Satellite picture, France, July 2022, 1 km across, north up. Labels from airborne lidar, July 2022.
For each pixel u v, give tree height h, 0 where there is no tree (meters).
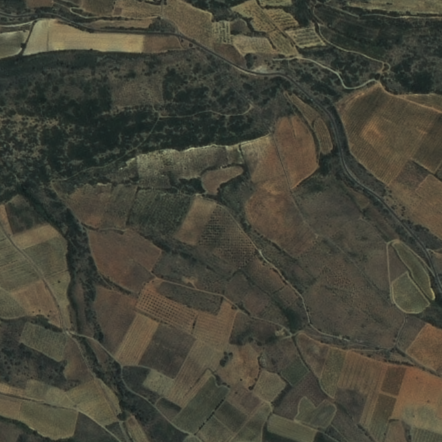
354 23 0
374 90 0
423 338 0
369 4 0
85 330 0
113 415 0
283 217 0
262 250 0
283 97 0
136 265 0
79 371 0
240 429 0
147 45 0
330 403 0
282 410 0
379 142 0
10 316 0
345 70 0
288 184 0
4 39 0
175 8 0
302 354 0
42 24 0
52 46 0
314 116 0
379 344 0
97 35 0
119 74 0
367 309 0
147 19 0
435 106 0
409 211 0
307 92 0
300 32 0
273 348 0
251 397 0
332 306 0
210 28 0
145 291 0
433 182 0
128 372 0
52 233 0
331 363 0
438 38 0
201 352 0
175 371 0
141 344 0
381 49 0
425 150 0
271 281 0
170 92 0
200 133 0
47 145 0
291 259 0
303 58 0
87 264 0
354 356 0
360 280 0
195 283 0
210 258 0
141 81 0
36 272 0
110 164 0
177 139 0
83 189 0
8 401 0
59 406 0
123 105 0
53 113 0
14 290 0
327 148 0
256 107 0
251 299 0
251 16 0
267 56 0
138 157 0
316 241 0
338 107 0
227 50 0
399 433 0
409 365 7
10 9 0
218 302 0
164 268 0
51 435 0
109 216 0
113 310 0
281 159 0
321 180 0
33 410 0
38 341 0
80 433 0
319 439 0
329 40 0
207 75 0
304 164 0
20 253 0
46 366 0
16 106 0
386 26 0
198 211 0
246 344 0
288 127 0
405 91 0
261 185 0
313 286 0
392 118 0
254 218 0
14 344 0
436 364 0
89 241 0
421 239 0
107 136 0
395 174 0
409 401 0
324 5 7
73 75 0
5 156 0
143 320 0
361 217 0
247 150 0
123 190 0
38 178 0
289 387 0
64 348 0
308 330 0
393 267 0
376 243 0
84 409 0
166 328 0
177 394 0
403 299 0
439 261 0
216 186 0
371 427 0
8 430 0
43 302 0
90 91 0
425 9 0
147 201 0
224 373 0
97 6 0
